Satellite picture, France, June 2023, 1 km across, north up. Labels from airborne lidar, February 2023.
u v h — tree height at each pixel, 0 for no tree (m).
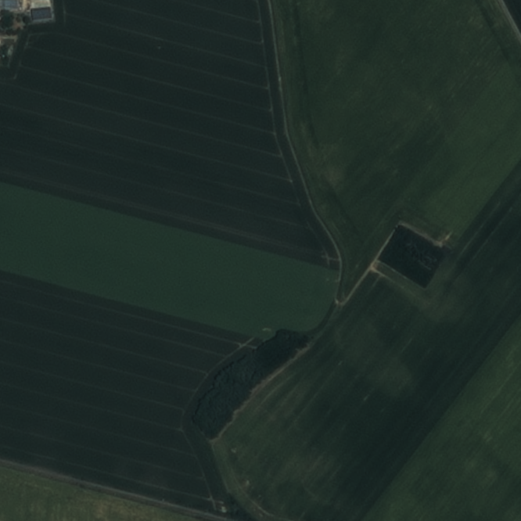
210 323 0
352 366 0
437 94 0
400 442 0
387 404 0
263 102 0
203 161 0
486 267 0
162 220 0
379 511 0
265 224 0
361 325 0
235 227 0
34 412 0
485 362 0
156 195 0
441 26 0
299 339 14
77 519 0
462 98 0
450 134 0
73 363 0
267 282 0
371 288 0
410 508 0
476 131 0
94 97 0
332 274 0
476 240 0
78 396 0
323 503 0
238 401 17
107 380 0
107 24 0
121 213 0
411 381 0
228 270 0
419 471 0
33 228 0
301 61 0
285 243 0
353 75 0
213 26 0
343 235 0
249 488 0
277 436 0
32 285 0
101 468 0
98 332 0
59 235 0
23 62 0
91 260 0
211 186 0
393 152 0
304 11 0
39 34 0
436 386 0
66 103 0
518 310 0
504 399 0
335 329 0
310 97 0
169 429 0
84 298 0
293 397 0
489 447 0
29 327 0
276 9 0
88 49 0
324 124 0
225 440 0
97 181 0
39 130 0
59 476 0
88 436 0
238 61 0
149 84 0
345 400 0
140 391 0
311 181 0
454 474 0
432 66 0
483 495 0
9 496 0
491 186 0
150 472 0
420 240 13
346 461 0
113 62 0
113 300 0
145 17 0
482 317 0
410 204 0
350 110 0
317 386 0
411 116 0
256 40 0
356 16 0
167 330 0
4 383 0
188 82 0
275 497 0
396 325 0
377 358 0
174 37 0
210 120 0
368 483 0
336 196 0
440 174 0
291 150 0
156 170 0
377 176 0
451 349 0
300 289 0
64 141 0
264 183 0
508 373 0
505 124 0
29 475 0
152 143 0
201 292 0
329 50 0
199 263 0
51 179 0
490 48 0
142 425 0
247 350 0
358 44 0
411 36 0
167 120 0
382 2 0
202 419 15
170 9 0
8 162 0
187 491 0
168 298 0
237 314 0
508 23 0
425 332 0
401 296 0
